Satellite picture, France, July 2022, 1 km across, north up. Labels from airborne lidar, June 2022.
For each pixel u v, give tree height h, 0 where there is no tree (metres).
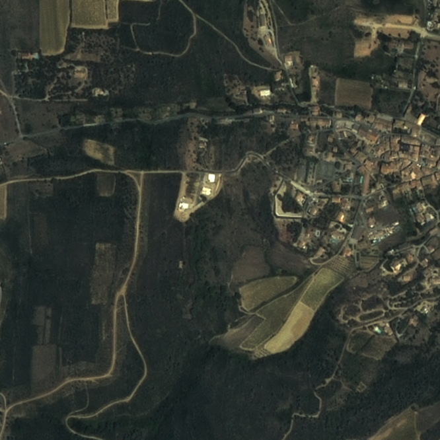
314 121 0
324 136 0
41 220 0
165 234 7
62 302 0
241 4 10
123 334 0
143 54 8
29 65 8
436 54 0
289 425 6
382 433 0
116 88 8
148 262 0
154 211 0
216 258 7
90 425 6
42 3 0
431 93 0
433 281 0
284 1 0
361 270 5
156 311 0
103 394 0
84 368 0
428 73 7
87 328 0
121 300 0
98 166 7
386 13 0
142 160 6
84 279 0
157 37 0
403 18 0
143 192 0
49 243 0
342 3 0
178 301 7
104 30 10
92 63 9
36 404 0
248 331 0
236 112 8
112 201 9
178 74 0
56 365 0
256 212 0
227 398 0
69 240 0
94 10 0
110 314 0
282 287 0
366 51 0
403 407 7
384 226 0
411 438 0
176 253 0
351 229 8
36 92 6
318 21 0
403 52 0
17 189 0
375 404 10
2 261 0
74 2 0
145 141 8
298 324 0
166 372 8
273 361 6
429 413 0
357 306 0
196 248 9
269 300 0
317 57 0
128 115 6
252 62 0
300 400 10
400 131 7
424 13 0
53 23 0
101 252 0
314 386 8
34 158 9
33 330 0
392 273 0
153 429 7
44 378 0
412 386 8
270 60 0
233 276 0
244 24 0
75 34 6
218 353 14
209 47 0
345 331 0
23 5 0
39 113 0
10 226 0
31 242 0
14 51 7
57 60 8
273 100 0
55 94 6
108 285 0
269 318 0
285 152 9
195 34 0
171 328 0
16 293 0
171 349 0
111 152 0
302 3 0
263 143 8
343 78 0
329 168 0
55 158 7
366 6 0
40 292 0
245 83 0
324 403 0
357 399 6
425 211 0
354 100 0
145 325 0
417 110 13
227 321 0
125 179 5
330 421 10
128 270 7
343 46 0
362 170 0
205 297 10
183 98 6
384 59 0
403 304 7
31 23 0
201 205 0
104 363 0
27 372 0
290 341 0
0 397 0
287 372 0
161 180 0
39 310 0
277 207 0
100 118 0
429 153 0
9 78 0
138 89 7
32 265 5
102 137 6
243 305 0
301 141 7
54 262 0
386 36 13
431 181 0
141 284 0
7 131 0
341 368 7
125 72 7
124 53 11
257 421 0
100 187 0
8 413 0
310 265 0
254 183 0
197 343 8
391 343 0
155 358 0
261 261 0
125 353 0
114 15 0
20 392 0
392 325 8
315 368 7
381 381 8
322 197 7
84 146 0
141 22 0
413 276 0
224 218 9
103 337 0
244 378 0
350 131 0
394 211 0
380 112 11
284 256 0
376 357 0
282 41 0
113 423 5
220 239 0
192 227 8
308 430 12
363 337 0
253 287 0
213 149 0
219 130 6
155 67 8
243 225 0
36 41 0
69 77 8
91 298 0
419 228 10
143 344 0
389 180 12
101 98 7
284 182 0
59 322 0
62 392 0
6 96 0
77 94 7
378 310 0
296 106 8
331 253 8
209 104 0
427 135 0
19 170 0
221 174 0
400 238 0
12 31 0
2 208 0
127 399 0
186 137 0
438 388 9
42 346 0
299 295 0
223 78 8
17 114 6
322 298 0
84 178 6
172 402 10
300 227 10
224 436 0
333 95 0
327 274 0
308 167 6
